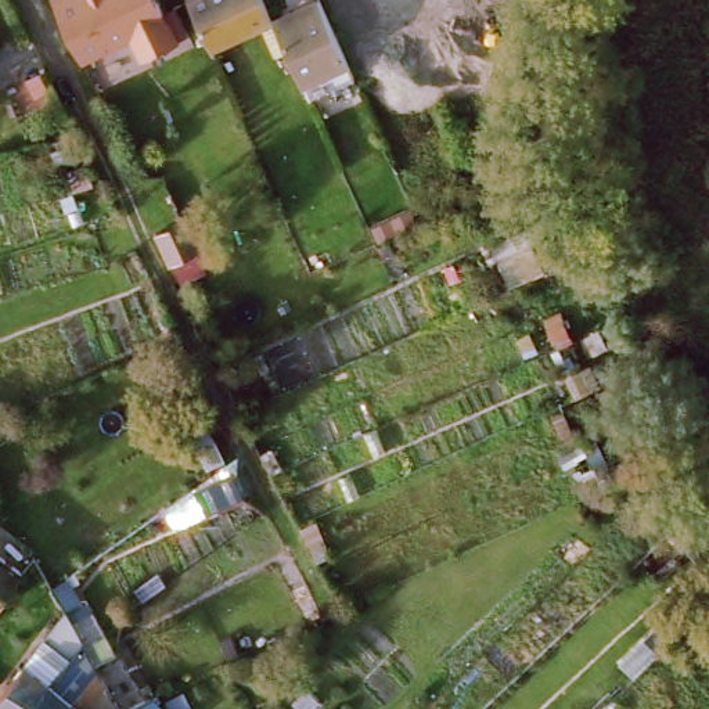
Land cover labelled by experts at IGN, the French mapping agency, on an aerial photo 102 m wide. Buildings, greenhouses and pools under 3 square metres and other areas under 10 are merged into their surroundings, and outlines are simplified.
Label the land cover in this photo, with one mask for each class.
<instances>
[{"label":"agricultural land","instance_id":"1","mask_svg":"<svg viewBox=\"0 0 709 709\"><path fill-rule=\"evenodd\" d=\"M58 136H11L0 144V404L14 410L19 418L22 413H36L42 402L53 404L61 393H80V382L86 377L127 366L133 360L136 343L155 346L163 357H172V318L166 316L141 260L133 258L122 269L105 263L94 252L91 238L78 241L72 235V227L66 224L61 199L66 197V191L58 166L53 161V150ZM296 338L277 343L258 349L255 357L258 377L266 382L274 402V407L266 413V424L255 432L258 440H269V451L280 463V474H269L266 485L274 496L277 521L282 529H274V523L258 507H252L235 493L230 482L233 474L230 468H224L216 471V485L205 482H199L191 490V496L199 499L205 507V521L199 526L188 532H172L163 523L166 510L147 515L141 523H130L119 543H108L100 554L86 557V571L72 568L69 579L72 584H78V598L89 601L91 615L97 618L111 645L122 634L119 629L138 640L150 618L174 620L197 604L241 584L244 579L280 565L277 551H282L285 546L288 548L296 546L302 537V529L307 523L318 526L327 548V562L321 565V573L330 579L335 590L341 595L352 593L357 604L363 598H371V593H377L379 587L402 590L410 576L443 565L449 554L474 551L482 543H493L496 537L510 535L512 529L529 526L535 518L559 510H576L582 512V518L593 523L590 535H584L582 543H571L568 551L554 557L546 573L523 590L521 601L501 609V615L490 626L474 634V640L460 651V656L446 665V673H440L438 681L427 687L421 709H490L496 698H504L507 687L521 692L537 673H543L548 662L557 659L562 648H568L576 631L584 629V623L590 620V609L607 607L615 595H626L637 582L651 576L648 559L643 554H651L645 537H631L620 529L618 518L623 515V507L629 501V490H623L615 479L620 460L607 451V440H595L584 429V424L576 418L579 410L573 399L568 396L565 377H573L584 368H601V355H587L582 338H571L568 349L551 346L546 338V324L518 305V296L512 291H507L501 269L487 266L479 249L471 246L454 255V266H424L415 274H407L391 285L374 296H363L357 305L338 310L335 316H324L316 324V330L310 324H299V330L294 332ZM518 338H532L535 357L518 355ZM582 449L587 451L584 463L590 471H562V460ZM150 579H161L163 587L161 593L141 598V584ZM310 634L313 651L316 659L332 662L335 676L363 679V698L371 709H377L407 690L413 667L404 651L396 648L379 629L360 623L343 618H305L302 626Z\"/></svg>","mask_w":709,"mask_h":709},{"label":"herbaceous vegetation","instance_id":"2","mask_svg":"<svg viewBox=\"0 0 709 709\"><path fill-rule=\"evenodd\" d=\"M161 11H166L186 36H194V25L186 8L188 0H155ZM102 69L97 66H80L75 75L89 102L102 100L122 116L136 166L144 172L138 180L127 183L122 191L114 194L116 210L111 216L94 213L91 219H80V227L91 238L94 252L105 263L122 269L133 258L141 260L166 316L172 318V332L180 338L183 360L191 363L199 374L202 399L216 413V421L208 432L213 435L224 468H230L233 474L230 482L235 493L252 507H258L274 523V529H282L277 521L274 496L266 485L269 474H280V463L269 451V440H258L255 432H249L235 418V404L241 399L235 396V388L219 379L222 360H216L205 349L191 313L183 307L180 285L155 252V235L177 230V222L194 197L216 213L222 224L219 244L227 252V269L205 271L199 280H194V285L199 294H205V313L219 321L224 338H238L246 330L258 327L271 330L277 343L296 338L294 332L299 330V324H310L316 330V324L324 316H335L338 310L357 305L363 296H374L391 285L382 263L374 255V224L399 216L404 205L396 194L399 169L393 163L391 147L379 130L371 105L368 100H360V105L355 108L332 114V119H321L316 102H305L294 78L282 72V64H274L263 39L241 42L219 55H208L205 50H183L163 64H152L144 72L130 80L114 83L100 97L94 89V78ZM22 119L17 114L6 116V105H0V144L11 136H19ZM127 366L86 377L80 382V393H61L53 404L55 427L64 429L66 443L47 451V463L42 468H30L25 460V449L14 440L0 438V529H6L14 537V546L22 551V576H11L0 587V681L14 670V665L22 656H28L30 640L42 629L66 620L53 590L64 579H69L72 568L86 571V557L100 554L108 543H119L130 523H141L147 515L166 510L174 507L180 499L191 496V490L199 482L188 471L163 465L141 449L130 446L127 435L122 432L127 418ZM593 523L582 518V512L576 510H559L535 518L529 526L512 529L510 535L496 537L493 543H482L474 551L449 554L443 565L410 576L402 590L379 587L377 593H371V598H363L357 604L360 623L379 629L396 648L404 651L413 667L407 690L377 709H421L427 687L438 681L440 673H446V665L460 656V651L474 640V634L490 626L501 615V609L521 601L523 590L546 573L554 557L568 551L571 543H582L584 535H590ZM305 579V587L316 601L318 618H343L341 609L327 604L330 593L335 590L330 579L321 573V565L313 559L310 543L302 537L296 546L288 548ZM305 618L294 601L291 582L285 579L280 565L244 579L241 584L197 604L174 620L150 618L138 640L119 629L122 634L111 645V651L130 667L136 681L152 692L158 709H161L163 703H172L180 695L166 692V681H197L199 687H205V698H188L191 709H244V703L235 701L233 684H246L255 695L266 698L269 706L280 703L277 687L263 681L260 676L252 679V662L263 651H271L277 640H282L285 623L302 626ZM227 634H233L230 645L238 656V662L233 665L224 659L219 648V643ZM654 595H659L656 579L651 576L637 582L626 595H615L607 607L590 609V620L584 623V629L576 631L568 648H562L557 659L548 662L543 673H537L521 692L507 687L504 698H496L490 709H535L554 687H559L584 659H590L612 637L615 629H620L626 620L643 612L651 607ZM654 634L645 623L631 629L551 709H709V670L701 665L690 676L673 673L665 662L656 659L654 648H645V640H651ZM305 665L316 676L313 695L318 701V709H371L363 698V679L335 676L332 662L316 659L313 651L305 654Z\"/></svg>","mask_w":709,"mask_h":709},{"label":"deciduous trees","instance_id":"3","mask_svg":"<svg viewBox=\"0 0 709 709\"><path fill-rule=\"evenodd\" d=\"M626 0H501L496 6V44L485 53L487 72L479 78L482 91L476 94L482 114L474 130V180L482 183V213L490 219L493 233L504 244L521 235L523 244L535 252V266L548 274L543 280L523 285L521 291H512L518 296V305L546 324V318L562 316L571 338H582L587 355H601V399L590 393L584 399H573L579 410L576 418L584 424V429L595 440H607V451L620 460L615 479L623 490H629V501L623 507V515L618 518L620 529L631 537H645L651 554L659 557L667 551H681L690 565L687 571L656 579L659 595H654L651 607L643 612L645 623L654 634L651 640H645V648H654L656 659L665 662L673 673L690 676L701 665L709 670V352L695 349L690 341H673L670 335L648 330V318L656 316L640 299L643 291L670 282L676 266L665 255H659L665 246L656 238L654 222L659 216L645 210L643 205V199L651 202L665 191V183L651 180L645 174L637 102L623 100L620 75L609 69L612 30L618 19L626 17ZM19 136H58L53 150V161L58 166L91 163V144L66 116L61 100L50 91L47 105L42 111L25 114L22 119ZM89 111L105 138L108 158L127 183L138 180L144 172L136 166L122 116L102 100L89 102ZM183 307L191 313L205 349L216 360H222L219 379L235 388V396L241 399L235 404V418L249 432H255L266 424V413L274 407V402L266 382L258 377L255 357L258 349L277 343L271 330L258 327L246 330L238 338H224L219 321L205 313V294H199L194 285H180ZM172 357H163L155 346L136 343L133 360L127 366V418L122 432L127 435L130 446L141 449L163 465L188 471L199 482H205L208 454L205 449H199V438L208 432L216 421V413L202 399L199 374L191 363L183 360L180 338L172 332ZM25 449V460L30 468H42L47 463V451L66 443L64 429L55 427L53 404L42 402L36 413H22L19 418V435L14 440ZM282 640H277L271 651H263L252 662V679L260 676L263 681L277 687L291 684L302 695H313L316 676L305 665V654L313 651L310 634L302 626L285 623ZM166 692L180 695L188 698H205V687H199L197 681H166Z\"/></svg>","mask_w":709,"mask_h":709},{"label":"building","instance_id":"4","mask_svg":"<svg viewBox=\"0 0 709 709\"><path fill-rule=\"evenodd\" d=\"M186 8L194 25V36H186L166 11H161L155 0H55L53 17L61 44L80 66H97L105 55L130 53L144 72L152 64H163L183 50H205L208 55H219L241 42L263 39L274 64H282V72L294 78L305 102H316L321 119H332V114L355 108L360 105V91L352 86L346 58L318 0H188ZM50 91V86L42 78H30L25 80V86L6 94V116L17 114L22 119L25 114L42 111L47 105ZM404 230V219L399 216L374 224V241L396 238ZM155 252L180 285H194V280H199L205 271L197 246L188 244L177 230L155 235ZM487 266L501 269L507 291H521L523 285L543 280L548 274L535 266V252L523 244L521 235L504 244L501 249H479ZM546 338L551 346L568 349L571 338L562 316L546 318ZM518 355L535 357L532 338H518ZM568 396L573 399H584L590 393L601 399V368H584L573 377H565ZM199 449H205L208 454L205 482L216 485V471L224 468L213 435L208 432L199 438ZM587 451L582 449L562 460V471H590L584 463ZM205 521V507L199 499L191 496L180 499L174 507L166 510L163 523L172 532H188L199 526ZM302 537L310 543L313 559L321 565L327 562V548L318 526L307 523L302 529ZM22 551L14 546V537L6 529H0V587L11 576H22ZM280 565L285 579L291 582L294 601L305 618H318L316 601L305 587V579L288 548L285 546L282 551H277ZM66 620L42 629L30 640L28 656H22L14 665V670L0 681V709H158L152 692L136 681L130 667L111 651V645L97 618L91 615L89 601L78 598V584H72L69 579H64L53 590ZM163 587L161 579H150L141 584V598L161 593ZM233 634H227L219 643V648L224 659L233 665L238 662V656L230 645ZM161 709H191L188 698L180 695L172 703H163ZM294 709H318V701L313 695H307L305 701H296Z\"/></svg>","mask_w":709,"mask_h":709},{"label":"water","instance_id":"5","mask_svg":"<svg viewBox=\"0 0 709 709\"><path fill-rule=\"evenodd\" d=\"M626 17L618 19L612 30L609 69L620 75L623 100L637 102L645 174L651 180L665 183V191L651 202L643 199V205L645 210L659 216L654 222L656 238L665 246L659 255H665L676 266L670 282L643 291L640 299L656 316L648 318V330L670 335L673 341H690L695 349L709 352V0H626Z\"/></svg>","mask_w":709,"mask_h":709},{"label":"brushwood","instance_id":"6","mask_svg":"<svg viewBox=\"0 0 709 709\"><path fill-rule=\"evenodd\" d=\"M30 39L11 0H0V50L11 42ZM379 130L391 147L393 163L399 169L396 194L404 205L399 216L404 219V230L396 238L374 241V255L382 263L391 285L407 274H415L424 266H454V255L471 246L479 249H501L504 244L493 233L490 219L482 213V183L474 180V130L482 114L476 94H446L438 105H429L427 111L415 114H396L382 100L371 105ZM66 191V197L61 199L66 224L72 227V235L78 241L91 238L80 227V219H91L94 213L111 216L116 210L114 194L91 172V163L58 166ZM327 604L341 609L343 618L360 623L357 604L352 593L341 595L335 590L330 593ZM235 701L244 703V709H294L296 701H305L307 695H302L291 684L277 687L280 703L269 706L266 698L255 695L246 684H233Z\"/></svg>","mask_w":709,"mask_h":709},{"label":"pervious surface","instance_id":"7","mask_svg":"<svg viewBox=\"0 0 709 709\"><path fill-rule=\"evenodd\" d=\"M346 58L352 86L360 91V100H368L371 105L382 100L396 114H415L427 111L429 105H438L446 94H476L482 91L479 78L487 72L485 53L496 44V6L501 0H318Z\"/></svg>","mask_w":709,"mask_h":709},{"label":"impervious surface","instance_id":"8","mask_svg":"<svg viewBox=\"0 0 709 709\"><path fill-rule=\"evenodd\" d=\"M30 39L11 42L0 50V105H6V94L25 86V80L30 78H42L50 86V91L61 100L66 116L91 144V172L114 194L122 191L127 183L108 158L105 138L89 111V102L75 75L80 66L61 44L53 17L55 0H11ZM97 66L102 69L94 78V89L100 97L114 83L130 80L144 72L130 53L105 55ZM648 559L651 576L656 579L687 571L690 565L681 551H667L659 557L651 554H643ZM645 623L643 612L626 620L620 629H615L612 637L590 659H584L559 687H554L535 709H551L631 629Z\"/></svg>","mask_w":709,"mask_h":709},{"label":"coniferous trees","instance_id":"9","mask_svg":"<svg viewBox=\"0 0 709 709\"><path fill-rule=\"evenodd\" d=\"M177 230L188 244L197 246L205 271L227 269V252L219 244L222 224L216 213L194 197L177 222ZM19 435V418L14 410L0 404V438L14 440Z\"/></svg>","mask_w":709,"mask_h":709}]
</instances>
